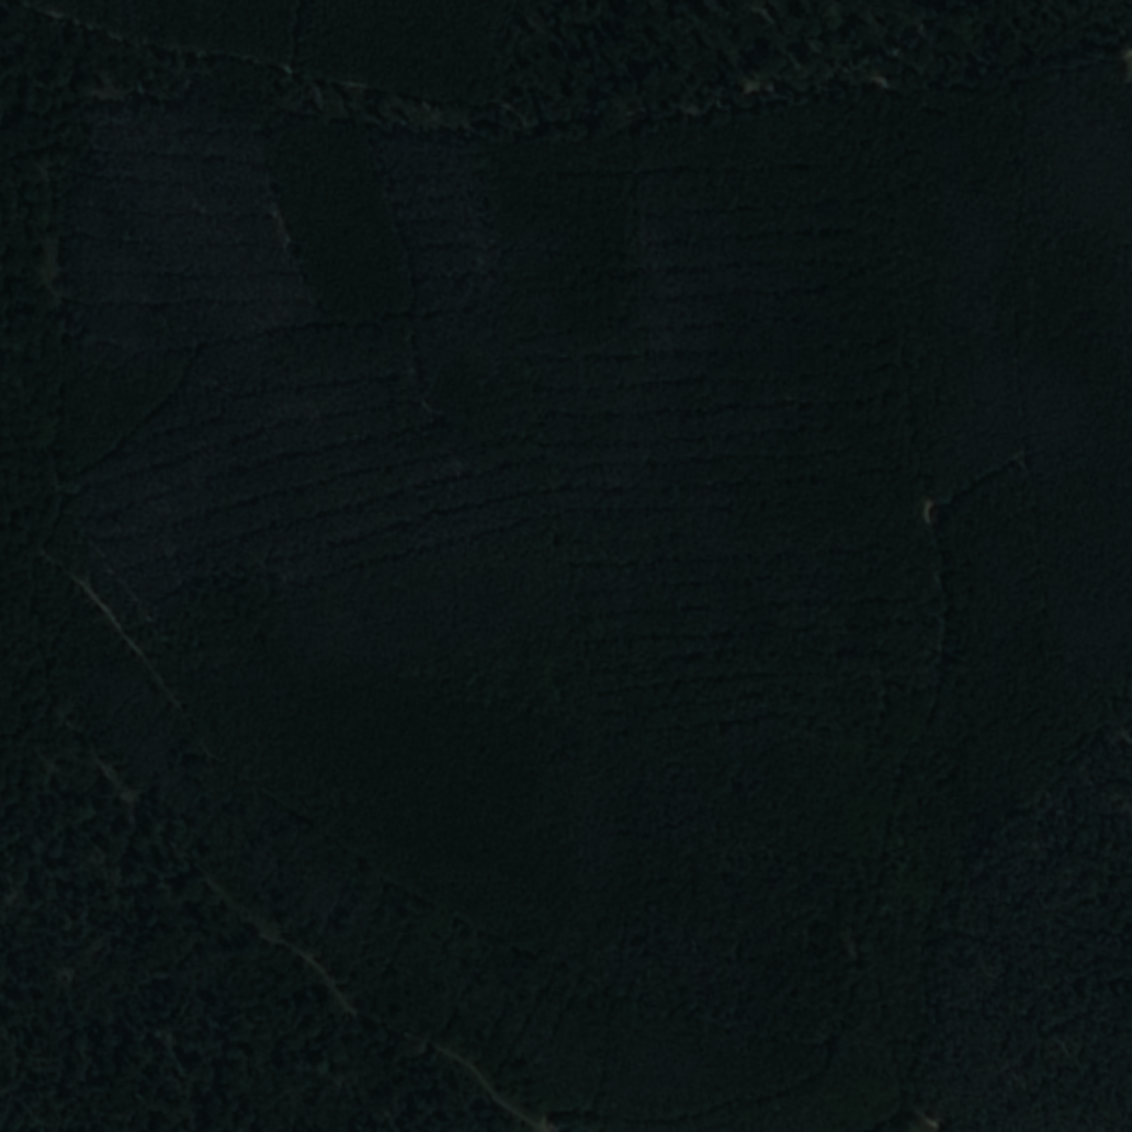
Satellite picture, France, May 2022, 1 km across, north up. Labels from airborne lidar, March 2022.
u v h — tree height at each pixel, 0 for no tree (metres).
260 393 18
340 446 19
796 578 20
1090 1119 22
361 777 17
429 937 26
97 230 16
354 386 22
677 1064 20
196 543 21
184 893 32
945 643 18
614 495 18
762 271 19
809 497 18
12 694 29
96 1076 20
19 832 21
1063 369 18
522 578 19
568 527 19
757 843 21
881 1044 21
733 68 31
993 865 24
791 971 22
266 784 13
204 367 21
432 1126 24
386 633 18
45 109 17
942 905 29
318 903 14
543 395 19
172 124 18
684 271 18
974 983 26
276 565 19
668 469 15
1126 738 26
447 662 16
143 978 6
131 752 15
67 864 23
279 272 22
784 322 20
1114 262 18
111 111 22
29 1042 27
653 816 18
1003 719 17
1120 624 19
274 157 17
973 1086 28
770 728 21
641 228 18
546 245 19
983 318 17
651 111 23
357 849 16
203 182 20
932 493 23
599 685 20
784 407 19
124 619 15
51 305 22
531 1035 17
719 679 20
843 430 20
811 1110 19
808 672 0
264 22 17
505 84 8
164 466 21
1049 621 18
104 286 17
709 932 18
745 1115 19
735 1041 19
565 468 17
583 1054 17
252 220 22
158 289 16
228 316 20
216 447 22
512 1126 22
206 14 17
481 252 23
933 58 29
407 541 20
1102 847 28
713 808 20
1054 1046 27
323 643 16
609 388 17
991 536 18
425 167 22
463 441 23
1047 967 28
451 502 18
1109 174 18
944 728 22
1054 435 15
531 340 21
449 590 17
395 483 20
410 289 19
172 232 22
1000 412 18
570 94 24
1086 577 18
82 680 19
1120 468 19
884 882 24
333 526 22
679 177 19
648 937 20
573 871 17
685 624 20
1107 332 18
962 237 18
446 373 21
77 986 8
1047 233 18
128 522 24
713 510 21
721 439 18
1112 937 28
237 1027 30
